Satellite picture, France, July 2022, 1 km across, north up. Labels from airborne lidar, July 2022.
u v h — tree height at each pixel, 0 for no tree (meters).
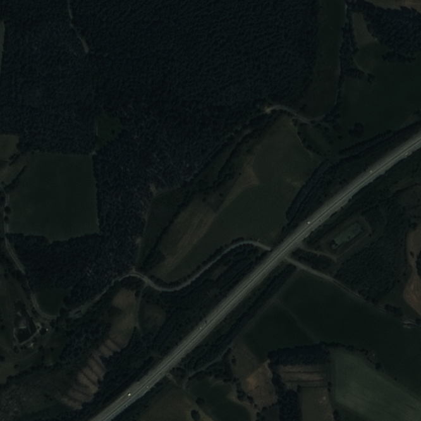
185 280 9
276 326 0
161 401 0
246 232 0
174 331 10
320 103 0
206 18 22
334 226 12
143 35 27
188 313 8
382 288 9
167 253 0
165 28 26
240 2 18
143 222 23
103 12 19
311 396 0
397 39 25
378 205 12
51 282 21
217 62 17
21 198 0
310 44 25
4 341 0
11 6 19
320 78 0
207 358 12
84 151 22
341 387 0
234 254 9
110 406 0
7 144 0
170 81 16
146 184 27
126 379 8
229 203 0
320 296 0
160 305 10
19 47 38
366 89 0
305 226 0
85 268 25
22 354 0
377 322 0
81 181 0
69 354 18
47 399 16
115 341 0
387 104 0
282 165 0
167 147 31
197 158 24
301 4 11
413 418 0
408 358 0
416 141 0
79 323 7
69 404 0
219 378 8
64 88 27
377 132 0
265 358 0
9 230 0
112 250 27
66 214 0
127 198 25
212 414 0
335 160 0
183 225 0
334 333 0
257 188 0
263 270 0
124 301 0
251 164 0
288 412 28
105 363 23
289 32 19
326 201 0
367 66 0
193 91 23
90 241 24
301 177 0
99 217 12
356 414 0
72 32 30
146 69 14
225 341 11
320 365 0
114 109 23
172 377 0
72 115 21
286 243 0
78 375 0
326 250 0
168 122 26
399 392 0
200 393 0
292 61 9
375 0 0
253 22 20
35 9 17
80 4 23
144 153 23
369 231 0
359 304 0
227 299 0
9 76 20
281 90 14
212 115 22
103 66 25
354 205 8
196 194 7
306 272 0
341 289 0
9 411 0
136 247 25
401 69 0
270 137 0
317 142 0
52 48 45
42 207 0
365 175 0
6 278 13
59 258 17
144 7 20
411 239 0
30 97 26
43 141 29
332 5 0
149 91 19
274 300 0
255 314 13
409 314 0
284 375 0
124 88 20
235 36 18
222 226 0
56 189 0
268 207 0
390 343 0
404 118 0
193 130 21
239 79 12
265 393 0
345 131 0
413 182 0
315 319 0
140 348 20
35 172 0
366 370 0
